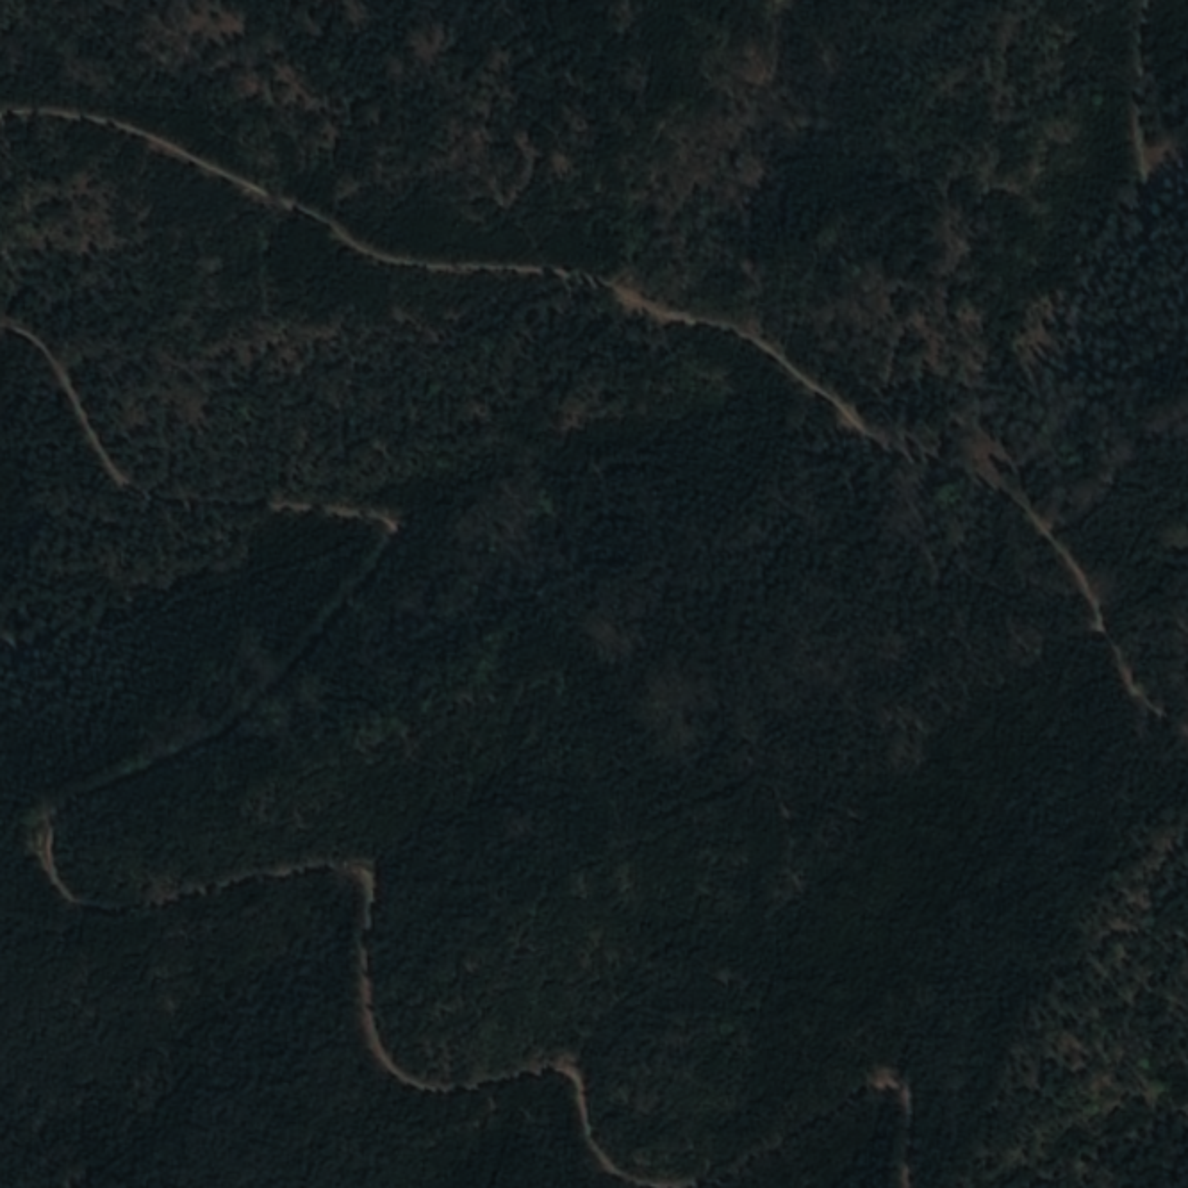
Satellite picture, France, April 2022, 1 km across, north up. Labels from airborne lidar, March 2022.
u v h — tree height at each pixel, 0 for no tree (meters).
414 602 17
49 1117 16
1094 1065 22
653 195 9
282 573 21
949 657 22
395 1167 15
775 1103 18
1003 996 13
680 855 8
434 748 9
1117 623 19
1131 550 18
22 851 17
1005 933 15
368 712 21
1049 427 20
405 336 9
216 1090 11
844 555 23
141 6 8
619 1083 8
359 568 20
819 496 22
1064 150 11
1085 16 11
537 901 11
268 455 25
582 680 18
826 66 8
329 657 20
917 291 23
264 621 22
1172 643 21
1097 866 19
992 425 15
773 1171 23
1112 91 11
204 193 9
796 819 25
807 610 20
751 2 17
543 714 13
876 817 17
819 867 13
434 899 9
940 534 36
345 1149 15
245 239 8
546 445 10
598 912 11
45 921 17
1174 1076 14
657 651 29
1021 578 20
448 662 20
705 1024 11
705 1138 11
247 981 13
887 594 20
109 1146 21
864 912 14
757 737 21
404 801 12
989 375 7
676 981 13
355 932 18
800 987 22
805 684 16
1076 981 20
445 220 7
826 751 29
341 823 6
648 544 22
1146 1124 10
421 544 18
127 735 24
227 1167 20
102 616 38
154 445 24
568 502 22
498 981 8
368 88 8
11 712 24
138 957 11
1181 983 29
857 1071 22
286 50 13
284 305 8
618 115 8
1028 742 17
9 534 11
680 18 11
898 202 13
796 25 14
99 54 11
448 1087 9
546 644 15
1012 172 8
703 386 9
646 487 22
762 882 15
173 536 24
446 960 14
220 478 22
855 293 6
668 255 12
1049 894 14
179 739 16
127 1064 10
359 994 13
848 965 18
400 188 10
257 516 28
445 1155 14
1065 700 15
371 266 6
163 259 6
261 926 20
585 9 15
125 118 10
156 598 14
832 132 6
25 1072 16
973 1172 13
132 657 23
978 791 25
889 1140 18
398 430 22
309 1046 14
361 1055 14
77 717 23
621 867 11
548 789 14
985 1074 13
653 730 19
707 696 18
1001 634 23
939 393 15
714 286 9
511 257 9
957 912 20
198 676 21
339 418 23
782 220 6
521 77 12
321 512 14
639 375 22
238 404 21
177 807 16
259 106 8
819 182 9
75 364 9
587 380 21
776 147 9
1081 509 19
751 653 22
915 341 12
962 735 22
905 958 20
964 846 20
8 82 10
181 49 9
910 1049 20
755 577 22
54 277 26
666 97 12
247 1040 14
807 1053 18
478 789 9
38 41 11
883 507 15
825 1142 27
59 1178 22
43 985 18
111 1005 19
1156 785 15
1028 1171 10
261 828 9
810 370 10
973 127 11
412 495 8
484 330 7
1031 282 13
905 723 23
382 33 8
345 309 8
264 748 19
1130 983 28
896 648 17
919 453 17
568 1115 10
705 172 9
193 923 9
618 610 20
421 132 7
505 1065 11
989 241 9
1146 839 19
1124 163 17
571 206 10
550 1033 11
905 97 6
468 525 18
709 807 18
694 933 14
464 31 9
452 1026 8
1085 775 14
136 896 7
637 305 0
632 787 17
